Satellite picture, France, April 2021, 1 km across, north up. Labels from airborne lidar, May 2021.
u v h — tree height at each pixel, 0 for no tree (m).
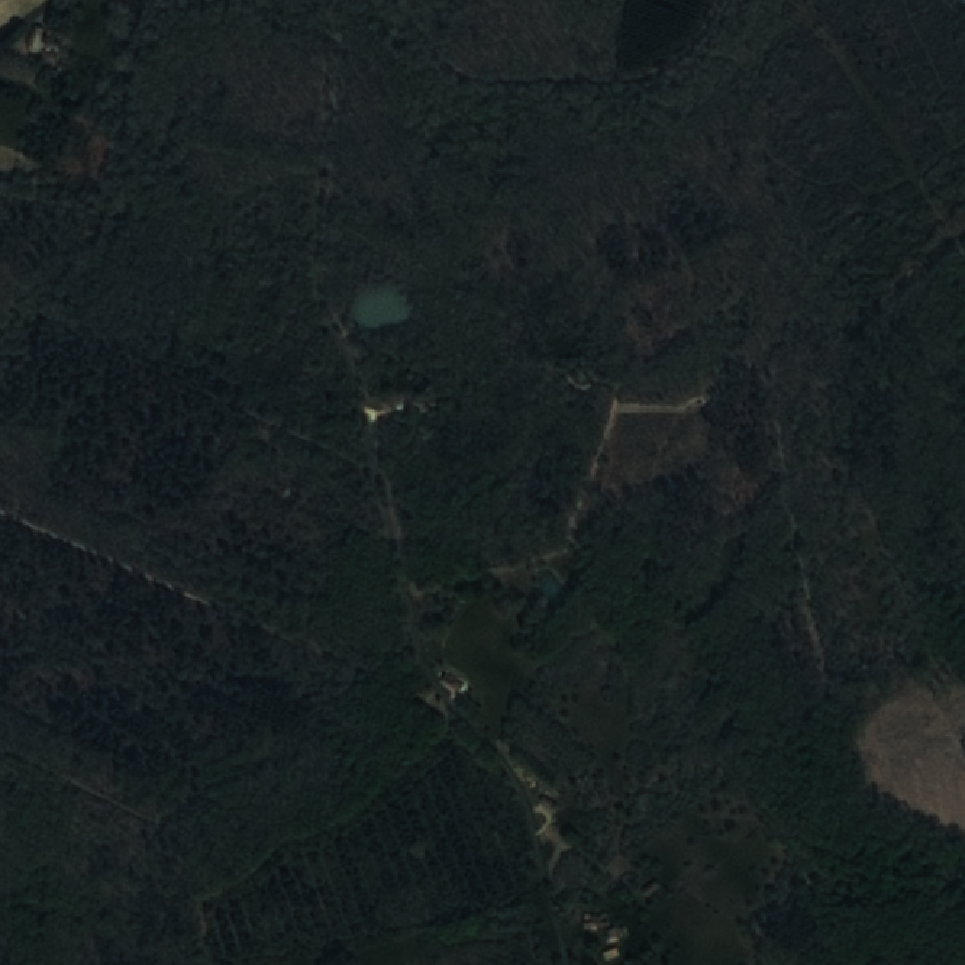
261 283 6
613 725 0
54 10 14
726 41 23
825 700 20
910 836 21
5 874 16
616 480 0
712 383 17
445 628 17
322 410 8
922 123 7
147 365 17
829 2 8
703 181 14
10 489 13
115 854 20
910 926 18
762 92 8
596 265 15
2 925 20
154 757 18
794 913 13
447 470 15
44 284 14
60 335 22
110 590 7
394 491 10
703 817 9
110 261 23
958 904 18
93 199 21
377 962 0
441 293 13
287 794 15
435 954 8
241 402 11
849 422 14
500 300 13
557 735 16
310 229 9
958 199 7
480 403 13
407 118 23
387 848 8
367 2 26
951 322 17
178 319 21
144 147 19
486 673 0
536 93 22
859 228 6
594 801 12
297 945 9
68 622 21
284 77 14
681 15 16
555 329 12
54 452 17
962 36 7
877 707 0
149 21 18
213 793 16
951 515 21
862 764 22
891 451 15
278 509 10
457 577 17
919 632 10
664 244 22
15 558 17
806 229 11
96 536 14
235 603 22
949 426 17
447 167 22
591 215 17
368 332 10
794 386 16
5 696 20
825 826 25
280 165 13
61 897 18
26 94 9
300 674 18
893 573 16
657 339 7
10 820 14
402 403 0
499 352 13
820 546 13
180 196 21
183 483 17
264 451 10
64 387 19
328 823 15
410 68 21
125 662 8
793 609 10
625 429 0
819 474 11
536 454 12
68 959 18
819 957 15
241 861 16
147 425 22
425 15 23
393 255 17
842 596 11
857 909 20
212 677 8
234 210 9
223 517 8
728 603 20
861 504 11
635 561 22
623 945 0
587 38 14
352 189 16
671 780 7
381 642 13
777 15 16
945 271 16
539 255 16
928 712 0
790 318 16
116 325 17
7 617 6
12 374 16
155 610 19
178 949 13
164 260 20
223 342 6
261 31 20
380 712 20
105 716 22
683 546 23
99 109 10
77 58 6
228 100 18
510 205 18
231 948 10
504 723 9
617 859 6
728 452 14
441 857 10
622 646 11
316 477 13
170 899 14
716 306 14
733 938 0
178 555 16
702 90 27
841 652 14
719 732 12
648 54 13
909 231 8
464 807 9
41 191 11
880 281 9
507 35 15
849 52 6
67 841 10
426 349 15
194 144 19
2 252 21
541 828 0
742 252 18
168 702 6
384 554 12
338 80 17
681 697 12
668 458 0
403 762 9
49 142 15
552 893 15
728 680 17
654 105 18
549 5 19
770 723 22
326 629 15
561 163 21
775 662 24
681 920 0
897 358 24
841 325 9
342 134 17
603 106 27
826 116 9
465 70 11
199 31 20
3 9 0
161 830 6
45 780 11
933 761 0
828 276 12
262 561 6
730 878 0
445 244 18
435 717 15
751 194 16
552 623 22
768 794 27
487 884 10
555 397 12
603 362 14
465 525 17
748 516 16
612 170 21
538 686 8
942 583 14
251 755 13
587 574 19
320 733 17
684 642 7
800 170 6
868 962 16
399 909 7
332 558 15
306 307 13
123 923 14
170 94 15
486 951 8
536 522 13
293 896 11
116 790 13
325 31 19
